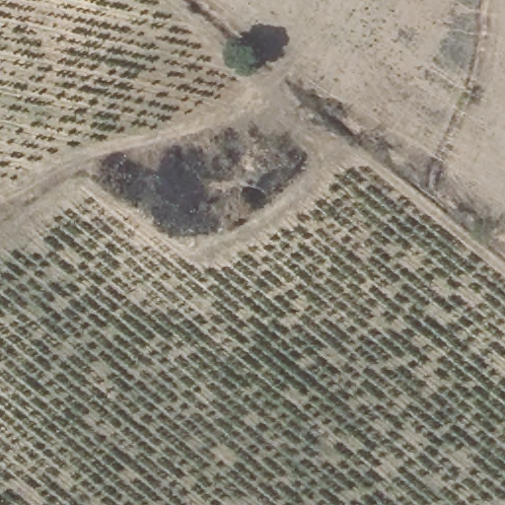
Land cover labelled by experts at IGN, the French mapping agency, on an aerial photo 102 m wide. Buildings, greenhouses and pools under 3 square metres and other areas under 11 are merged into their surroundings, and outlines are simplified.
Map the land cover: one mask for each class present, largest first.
<instances>
[{"label":"vineyard","instance_id":"1","mask_svg":"<svg viewBox=\"0 0 505 505\"><path fill-rule=\"evenodd\" d=\"M227 43L225 37L213 26H209V22L189 12L183 0H0V505H505V262H501L493 252L487 251L485 245L475 241L468 231H464L450 217H446L438 207H434L428 199H424L418 191H414L408 183L400 180L381 162H377L371 154L363 152L357 146H351L347 138L329 130L327 126L312 124L316 112L302 107L298 97L286 87V79L290 77L292 81H302L304 89L316 91L322 99H329L327 95L331 93V89L324 79L322 61L302 55L308 47L304 39H288L284 55L280 59L268 61L264 67L258 69L252 75H241L237 69L229 67L223 57V49Z\"/></svg>","mask_w":505,"mask_h":505},{"label":"agricultural land","instance_id":"2","mask_svg":"<svg viewBox=\"0 0 505 505\"><path fill-rule=\"evenodd\" d=\"M189 12L209 22V26H213L225 37L227 43L251 47L254 67L258 69L264 67L268 61L280 59L284 55L288 39H304L308 47L302 55L322 61L324 79L331 89V93L327 95L329 99H322L316 91L304 89L302 81H292L290 77L286 79V87L298 97L302 107L316 112L312 124L327 126L329 130L347 138L351 146H357L363 152L371 154L377 162H381L400 180L408 183L414 191H418L424 199H428L434 207H438L446 217H450L464 231H468L475 241L485 245L487 251L493 252L501 262H505V0H183Z\"/></svg>","mask_w":505,"mask_h":505},{"label":"coniferous trees","instance_id":"3","mask_svg":"<svg viewBox=\"0 0 505 505\"><path fill-rule=\"evenodd\" d=\"M223 57L229 67L237 69L241 75H252L258 69L254 67L251 47L227 43L223 49Z\"/></svg>","mask_w":505,"mask_h":505}]
</instances>
